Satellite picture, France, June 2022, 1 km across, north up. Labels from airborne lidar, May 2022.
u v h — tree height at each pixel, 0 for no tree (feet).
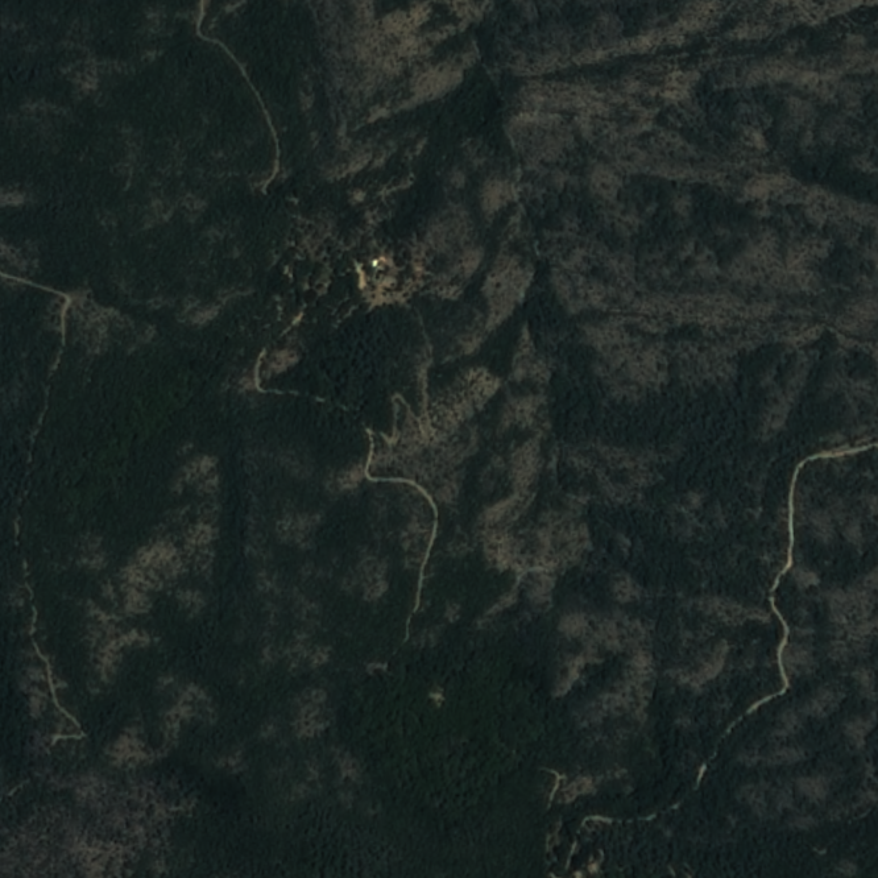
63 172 18
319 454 20
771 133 22
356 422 21
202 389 27
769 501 21
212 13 19
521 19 20
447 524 19
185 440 21
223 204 19
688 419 32
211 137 33
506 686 47
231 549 28
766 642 20
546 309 52
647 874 44
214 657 18
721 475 23
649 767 36
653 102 26
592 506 25
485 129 22
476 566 23
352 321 35
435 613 35
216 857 25
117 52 21
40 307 21
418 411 19
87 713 22
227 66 24
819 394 17
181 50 25
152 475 21
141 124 17
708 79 20
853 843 39
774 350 25
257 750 20
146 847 24
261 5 31
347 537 31
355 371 34
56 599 19
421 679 41
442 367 23
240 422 26
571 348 22
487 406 27
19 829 23
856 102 0
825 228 22
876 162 18
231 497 29
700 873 33
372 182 18
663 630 19
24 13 22
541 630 25
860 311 0
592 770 24
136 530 20
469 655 20
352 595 19
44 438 27
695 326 30
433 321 19
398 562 18
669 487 24
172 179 20
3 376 20
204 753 35
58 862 26
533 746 33
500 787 39
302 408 36
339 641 26
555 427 29
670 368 21
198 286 23
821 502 22
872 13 20
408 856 29
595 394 27
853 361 22
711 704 27
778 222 23
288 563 17
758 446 23
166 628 27
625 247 21
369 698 36
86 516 32
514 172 28
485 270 24
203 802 43
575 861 44
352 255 33
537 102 0
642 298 18
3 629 29
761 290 17
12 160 17
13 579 20
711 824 23
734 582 22
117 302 30
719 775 24
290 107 32
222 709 19
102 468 35
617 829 23
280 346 20
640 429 23
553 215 24
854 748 25
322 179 20
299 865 23
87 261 22
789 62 0
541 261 33
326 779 20
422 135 20
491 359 32
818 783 0
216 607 47
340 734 28
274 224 33
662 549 24
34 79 46
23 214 37
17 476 20
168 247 25
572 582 29
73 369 18
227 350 46
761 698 21
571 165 18
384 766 45
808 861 25
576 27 20
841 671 32
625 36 20
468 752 50
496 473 20
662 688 35
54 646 19
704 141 18
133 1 19
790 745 18
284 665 21
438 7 20
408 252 20
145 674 24
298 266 43
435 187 25
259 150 22
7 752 27
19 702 34
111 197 17
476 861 30
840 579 19
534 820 25
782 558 20
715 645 23
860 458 19
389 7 22
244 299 28
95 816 24
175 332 29
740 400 24
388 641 25
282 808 21
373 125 20
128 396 31
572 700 19
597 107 0
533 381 24
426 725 43
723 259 18
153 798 29
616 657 22
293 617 19
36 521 22
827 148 18
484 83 27
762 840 28
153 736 21
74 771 21
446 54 24
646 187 20
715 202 24
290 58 24
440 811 34
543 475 37
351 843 53
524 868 32
